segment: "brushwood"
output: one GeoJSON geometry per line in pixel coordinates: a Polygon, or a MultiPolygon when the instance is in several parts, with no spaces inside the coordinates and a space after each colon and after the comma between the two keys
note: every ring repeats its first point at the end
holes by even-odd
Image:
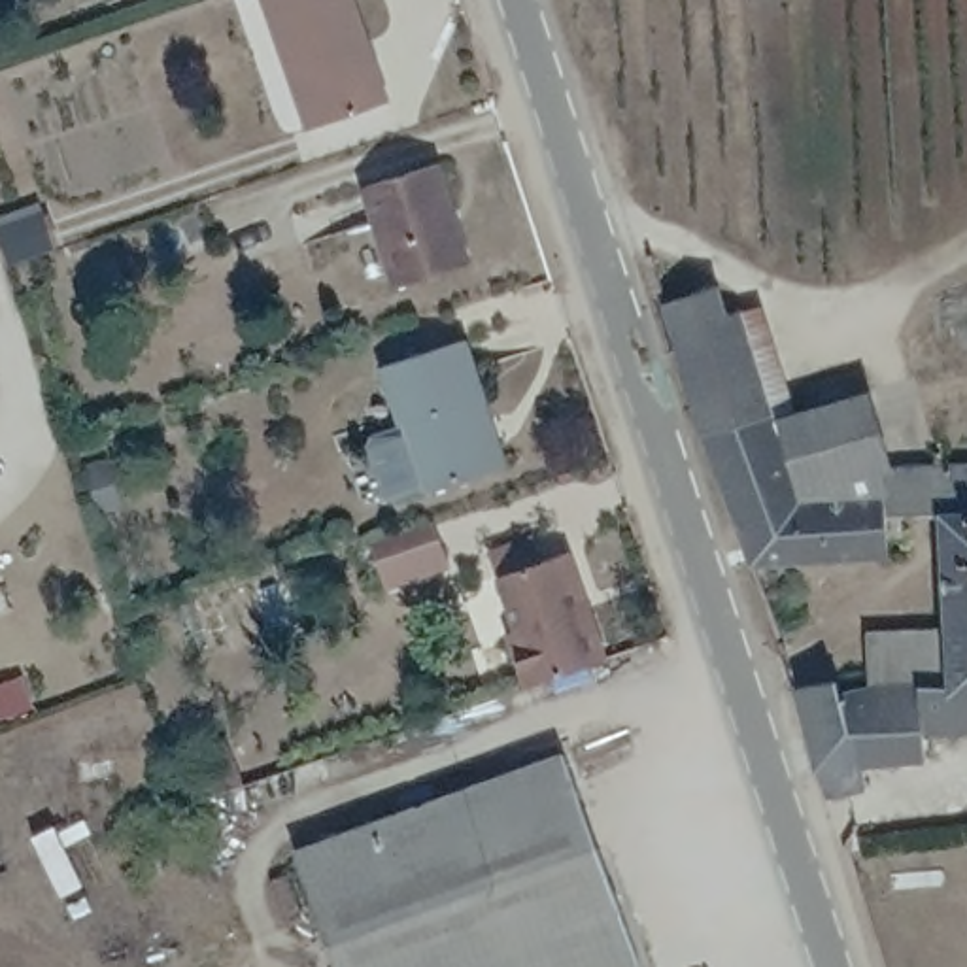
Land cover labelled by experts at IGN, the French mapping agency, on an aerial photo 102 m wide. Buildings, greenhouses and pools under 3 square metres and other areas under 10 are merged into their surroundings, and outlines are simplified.
{"type": "Polygon", "coordinates": [[[174,0],[125,0],[117,11],[60,30],[53,38],[57,49],[106,34],[113,26],[151,19],[166,11],[174,0]]]}
{"type": "Polygon", "coordinates": [[[446,695],[453,695],[465,706],[514,691],[517,672],[506,665],[476,672],[446,676],[446,695]]]}
{"type": "Polygon", "coordinates": [[[427,506],[438,521],[506,506],[521,495],[544,491],[563,480],[544,465],[495,487],[476,487],[457,499],[427,506]]]}
{"type": "Polygon", "coordinates": [[[582,393],[574,351],[567,348],[555,351],[548,389],[582,393]]]}
{"type": "Polygon", "coordinates": [[[461,344],[472,351],[484,397],[495,400],[495,351],[484,348],[484,340],[506,329],[502,314],[476,325],[461,325],[461,344]]]}
{"type": "Polygon", "coordinates": [[[627,506],[604,510],[597,525],[604,533],[619,533],[623,559],[616,567],[616,585],[612,601],[623,608],[635,650],[661,642],[669,635],[669,623],[657,604],[642,540],[635,533],[627,506]]]}
{"type": "Polygon", "coordinates": [[[204,227],[215,223],[215,200],[295,174],[325,170],[332,162],[351,162],[359,170],[374,140],[298,159],[242,174],[234,181],[212,185],[204,193],[170,200],[140,215],[125,215],[83,234],[91,249],[125,242],[128,230],[170,230],[174,219],[189,227],[189,234],[204,238],[204,227]]]}
{"type": "Polygon", "coordinates": [[[49,212],[53,204],[76,208],[94,204],[102,196],[98,189],[64,193],[57,178],[45,178],[45,162],[30,162],[30,196],[38,196],[49,212]]]}
{"type": "Polygon", "coordinates": [[[918,854],[952,850],[967,842],[967,827],[907,831],[888,839],[869,839],[861,831],[861,854],[918,854]]]}
{"type": "Polygon", "coordinates": [[[19,680],[26,680],[34,706],[26,714],[0,718],[0,733],[34,725],[45,714],[125,687],[113,672],[68,687],[60,695],[45,691],[45,676],[34,665],[19,665],[19,680]]]}
{"type": "Polygon", "coordinates": [[[400,718],[389,718],[374,718],[359,729],[310,740],[295,752],[276,752],[272,763],[283,763],[291,771],[321,759],[359,759],[374,744],[393,748],[393,740],[408,729],[400,718]]]}
{"type": "Polygon", "coordinates": [[[355,178],[317,196],[295,200],[295,215],[306,215],[314,208],[340,204],[363,193],[363,185],[355,178]]]}
{"type": "Polygon", "coordinates": [[[64,370],[68,340],[57,321],[49,253],[30,257],[23,264],[4,261],[4,276],[23,317],[42,389],[49,382],[60,382],[64,370]]]}

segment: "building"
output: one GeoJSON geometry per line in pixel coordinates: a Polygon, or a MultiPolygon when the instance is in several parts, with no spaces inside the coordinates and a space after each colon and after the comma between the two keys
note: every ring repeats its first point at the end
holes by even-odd
{"type": "Polygon", "coordinates": [[[442,540],[438,525],[404,525],[400,533],[389,533],[382,544],[370,548],[366,563],[378,570],[382,585],[397,582],[404,589],[412,582],[438,578],[446,570],[450,544],[442,540]]]}
{"type": "Polygon", "coordinates": [[[676,302],[657,298],[657,325],[672,355],[672,374],[680,382],[691,431],[706,453],[710,476],[737,525],[740,551],[755,567],[767,567],[771,578],[782,570],[801,570],[827,563],[891,563],[888,548],[880,544],[884,517],[929,517],[929,570],[933,593],[941,597],[941,627],[861,631],[857,665],[865,665],[865,687],[793,687],[797,721],[820,786],[827,801],[857,797],[869,786],[869,771],[925,763],[941,737],[967,737],[967,465],[933,465],[891,468],[888,457],[895,450],[888,446],[869,389],[850,400],[835,400],[778,419],[778,404],[789,397],[793,378],[782,366],[759,295],[729,291],[718,280],[706,291],[676,302]]]}
{"type": "Polygon", "coordinates": [[[616,869],[597,839],[578,782],[559,755],[302,846],[295,869],[306,884],[306,895],[321,910],[325,937],[332,948],[336,967],[653,967],[650,937],[631,918],[631,903],[619,891],[616,869]]]}
{"type": "Polygon", "coordinates": [[[604,669],[612,653],[635,650],[623,608],[612,601],[585,601],[563,533],[536,533],[533,525],[514,525],[506,533],[487,536],[502,601],[499,646],[506,650],[506,665],[517,672],[514,691],[551,684],[555,676],[578,669],[604,669]]]}
{"type": "Polygon", "coordinates": [[[234,789],[242,786],[242,767],[234,759],[227,767],[227,786],[234,789]]]}
{"type": "Polygon", "coordinates": [[[393,0],[257,0],[264,8],[291,98],[306,128],[321,128],[344,121],[348,113],[363,113],[385,102],[385,79],[378,68],[374,38],[385,34],[393,0]]]}
{"type": "Polygon", "coordinates": [[[0,718],[26,714],[34,706],[26,680],[19,680],[0,684],[0,718]]]}
{"type": "Polygon", "coordinates": [[[378,457],[374,480],[382,484],[382,495],[404,487],[434,491],[453,480],[484,476],[506,465],[506,442],[495,431],[495,416],[495,400],[484,397],[472,351],[461,344],[382,366],[374,393],[385,397],[385,419],[397,423],[393,434],[378,434],[366,442],[366,450],[378,457]]]}
{"type": "Polygon", "coordinates": [[[49,212],[38,196],[30,196],[8,204],[0,200],[0,257],[4,261],[23,264],[30,257],[49,253],[53,238],[49,212]]]}
{"type": "Polygon", "coordinates": [[[397,287],[419,283],[434,272],[465,268],[468,253],[457,219],[461,170],[453,159],[438,155],[438,162],[427,170],[363,185],[363,193],[363,227],[374,227],[374,264],[382,264],[382,276],[397,287]]]}

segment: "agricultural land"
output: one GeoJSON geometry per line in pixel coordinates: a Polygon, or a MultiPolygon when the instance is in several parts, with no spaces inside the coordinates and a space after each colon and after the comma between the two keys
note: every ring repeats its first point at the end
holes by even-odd
{"type": "Polygon", "coordinates": [[[604,117],[623,140],[627,193],[650,215],[729,249],[733,257],[767,276],[805,287],[873,283],[903,261],[933,246],[944,246],[948,238],[967,230],[967,0],[544,0],[544,4],[559,19],[567,57],[578,64],[585,94],[604,102],[604,117]]]}

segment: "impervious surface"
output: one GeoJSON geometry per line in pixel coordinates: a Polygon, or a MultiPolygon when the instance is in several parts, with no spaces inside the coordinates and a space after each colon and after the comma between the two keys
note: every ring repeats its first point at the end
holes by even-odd
{"type": "Polygon", "coordinates": [[[578,147],[578,128],[567,113],[563,83],[551,68],[551,53],[540,30],[544,4],[544,0],[499,0],[506,8],[506,30],[517,45],[517,68],[529,79],[529,106],[540,117],[544,151],[555,166],[555,189],[567,204],[567,223],[578,242],[589,302],[604,321],[604,348],[616,374],[616,389],[631,400],[631,431],[642,438],[642,465],[653,476],[657,510],[669,517],[672,551],[684,563],[684,585],[691,589],[699,612],[695,627],[710,646],[710,669],[718,672],[725,706],[737,721],[737,744],[748,759],[748,782],[759,793],[763,823],[774,839],[774,861],[786,873],[789,903],[797,907],[801,941],[812,952],[812,967],[884,967],[865,922],[854,865],[839,850],[839,835],[816,839],[797,812],[797,801],[820,786],[797,721],[793,687],[789,669],[755,631],[755,616],[740,593],[740,570],[714,563],[714,548],[699,521],[699,502],[687,487],[687,472],[676,450],[676,431],[691,431],[680,382],[672,374],[672,355],[657,325],[646,329],[646,321],[631,310],[631,287],[616,261],[616,238],[608,234],[604,208],[593,193],[589,162],[578,147]]]}
{"type": "Polygon", "coordinates": [[[283,132],[291,136],[298,159],[374,140],[404,132],[419,121],[423,98],[453,42],[453,23],[446,0],[393,0],[385,34],[374,38],[378,68],[385,79],[385,102],[363,113],[348,113],[344,121],[321,128],[306,128],[291,98],[264,8],[257,0],[242,0],[238,23],[253,49],[268,110],[283,132]]]}
{"type": "Polygon", "coordinates": [[[382,484],[374,480],[378,457],[366,450],[366,442],[378,434],[393,434],[397,423],[385,419],[385,397],[374,393],[363,412],[366,419],[348,423],[344,450],[359,465],[348,468],[344,491],[359,487],[359,495],[382,495],[382,484]]]}
{"type": "Polygon", "coordinates": [[[869,389],[888,446],[895,450],[888,457],[891,468],[933,465],[933,453],[922,450],[929,442],[929,408],[918,400],[918,382],[907,374],[899,382],[873,382],[869,389]]]}

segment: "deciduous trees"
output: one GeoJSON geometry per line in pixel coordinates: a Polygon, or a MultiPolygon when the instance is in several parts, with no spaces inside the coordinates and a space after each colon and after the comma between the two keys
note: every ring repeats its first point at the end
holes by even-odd
{"type": "Polygon", "coordinates": [[[397,661],[397,695],[385,699],[389,718],[400,718],[408,729],[434,729],[446,714],[457,714],[465,706],[453,695],[446,695],[446,676],[476,672],[472,623],[461,612],[461,601],[404,604],[408,642],[400,646],[397,661]]]}
{"type": "Polygon", "coordinates": [[[45,34],[45,23],[34,15],[38,0],[0,0],[0,68],[57,49],[53,38],[45,34]]]}
{"type": "Polygon", "coordinates": [[[234,321],[242,348],[227,370],[212,370],[200,378],[200,385],[170,393],[166,404],[136,404],[102,416],[83,416],[87,393],[64,370],[60,382],[49,382],[42,389],[49,431],[60,453],[113,604],[113,631],[102,638],[113,650],[113,672],[125,687],[136,687],[144,695],[144,687],[151,687],[147,669],[162,657],[159,619],[170,604],[181,608],[189,601],[189,589],[178,585],[155,597],[132,593],[132,559],[128,551],[121,551],[121,533],[102,521],[94,487],[117,487],[125,502],[140,491],[166,495],[166,487],[174,487],[174,446],[166,442],[166,431],[181,427],[189,412],[200,412],[204,397],[234,389],[253,389],[268,400],[268,446],[280,457],[291,457],[306,442],[306,427],[291,416],[287,404],[310,389],[314,374],[325,370],[325,359],[378,355],[385,340],[416,332],[423,317],[416,306],[408,306],[400,317],[336,306],[325,310],[310,332],[302,332],[287,302],[280,302],[276,310],[264,310],[264,317],[234,321]]]}
{"type": "Polygon", "coordinates": [[[801,570],[782,570],[771,578],[767,601],[782,627],[797,631],[808,619],[808,582],[801,570]]]}
{"type": "Polygon", "coordinates": [[[49,612],[49,631],[60,638],[76,638],[83,631],[87,612],[94,608],[94,585],[83,574],[45,570],[42,601],[49,612]]]}
{"type": "Polygon", "coordinates": [[[536,438],[544,465],[563,480],[597,480],[608,465],[608,450],[589,412],[559,416],[548,423],[548,431],[536,438]]]}
{"type": "Polygon", "coordinates": [[[136,295],[106,298],[106,314],[79,325],[83,359],[91,374],[128,378],[159,317],[170,317],[181,302],[181,272],[159,283],[144,283],[136,295]]]}
{"type": "Polygon", "coordinates": [[[348,514],[348,521],[332,521],[321,533],[306,533],[268,551],[268,536],[253,525],[257,510],[246,480],[242,423],[215,427],[215,438],[200,457],[196,480],[189,484],[189,514],[166,517],[174,567],[189,570],[196,585],[212,585],[219,578],[246,578],[264,563],[291,570],[295,559],[336,555],[348,578],[344,585],[329,578],[298,578],[295,597],[287,604],[283,597],[249,604],[249,616],[257,623],[249,638],[257,653],[257,672],[264,676],[264,684],[283,687],[283,710],[298,710],[314,695],[314,669],[306,661],[310,635],[325,635],[325,642],[340,642],[340,635],[359,638],[363,612],[351,601],[351,593],[366,589],[382,597],[382,585],[378,570],[366,563],[370,548],[382,544],[389,533],[400,533],[404,525],[438,525],[438,521],[427,506],[382,506],[366,521],[348,514]]]}
{"type": "Polygon", "coordinates": [[[121,854],[125,880],[151,880],[155,865],[170,865],[178,873],[204,880],[208,873],[215,873],[215,861],[223,831],[212,797],[234,789],[227,786],[227,767],[234,759],[212,703],[181,699],[147,733],[140,786],[151,789],[151,801],[125,812],[110,831],[106,846],[121,854]]]}
{"type": "Polygon", "coordinates": [[[170,64],[166,83],[174,102],[189,110],[200,136],[219,136],[223,94],[208,76],[204,57],[170,64]]]}

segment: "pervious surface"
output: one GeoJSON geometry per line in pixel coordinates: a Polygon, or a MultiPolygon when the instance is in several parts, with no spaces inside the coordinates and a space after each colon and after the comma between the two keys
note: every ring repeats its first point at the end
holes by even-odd
{"type": "Polygon", "coordinates": [[[676,302],[706,291],[718,280],[729,291],[759,295],[782,366],[793,378],[789,397],[778,404],[778,419],[835,400],[850,400],[869,389],[873,382],[899,382],[907,374],[899,329],[914,298],[925,291],[941,291],[948,276],[967,268],[967,230],[948,238],[944,246],[933,246],[903,261],[873,283],[805,287],[767,276],[733,257],[729,249],[650,215],[627,193],[623,140],[604,117],[604,102],[585,94],[578,64],[567,57],[559,19],[544,4],[540,30],[551,53],[551,68],[563,83],[567,113],[578,128],[578,147],[589,162],[593,193],[604,208],[608,234],[616,238],[616,261],[631,287],[631,310],[646,321],[646,329],[657,325],[657,298],[676,302]]]}
{"type": "Polygon", "coordinates": [[[60,453],[49,431],[42,389],[23,317],[4,276],[4,261],[0,257],[0,521],[30,495],[38,476],[60,453]]]}
{"type": "Polygon", "coordinates": [[[261,147],[234,151],[204,166],[185,166],[178,174],[162,174],[102,196],[94,204],[76,208],[53,204],[49,212],[53,238],[83,234],[125,215],[140,215],[170,200],[204,193],[212,185],[234,181],[242,174],[298,159],[291,136],[283,132],[261,147]]]}
{"type": "Polygon", "coordinates": [[[907,831],[967,827],[967,737],[941,737],[925,763],[869,771],[869,786],[857,797],[827,801],[820,786],[797,801],[797,812],[816,839],[839,835],[839,850],[854,865],[854,857],[861,854],[861,831],[869,839],[888,839],[907,831]]]}
{"type": "Polygon", "coordinates": [[[491,276],[495,298],[465,302],[453,325],[423,317],[416,332],[385,340],[378,355],[382,366],[461,344],[461,325],[476,325],[502,314],[506,329],[484,340],[484,348],[495,351],[540,351],[540,366],[517,397],[517,404],[495,416],[495,431],[506,442],[533,423],[536,400],[548,389],[555,351],[567,348],[574,351],[582,393],[589,400],[589,412],[608,450],[608,465],[597,480],[563,480],[544,491],[521,495],[506,506],[438,521],[438,525],[442,540],[450,544],[446,570],[438,578],[457,574],[457,555],[472,555],[480,570],[480,589],[461,601],[461,612],[472,623],[476,672],[506,665],[506,650],[499,646],[502,601],[487,536],[506,533],[514,525],[533,525],[536,533],[563,533],[585,601],[612,601],[616,585],[597,582],[593,563],[585,555],[585,536],[597,525],[604,510],[627,506],[635,533],[642,540],[657,604],[669,623],[669,635],[661,642],[635,650],[612,653],[604,669],[578,669],[555,676],[551,684],[514,691],[465,706],[457,714],[446,714],[434,729],[408,729],[393,740],[393,748],[374,744],[359,759],[321,759],[291,771],[242,786],[234,789],[212,797],[223,831],[215,861],[234,873],[238,907],[253,933],[253,944],[242,944],[230,967],[336,967],[332,948],[321,944],[306,918],[283,929],[272,918],[264,895],[264,876],[280,846],[291,839],[295,846],[302,846],[559,755],[563,737],[574,740],[582,729],[608,721],[638,725],[638,737],[627,748],[623,763],[612,763],[608,771],[585,774],[578,782],[597,839],[616,869],[619,891],[631,903],[631,918],[650,937],[653,967],[812,967],[812,952],[801,941],[797,907],[789,903],[786,873],[774,861],[774,839],[763,823],[759,793],[748,782],[748,759],[737,744],[737,721],[725,706],[718,672],[710,669],[710,646],[695,627],[699,612],[691,589],[684,585],[684,563],[672,551],[669,517],[657,510],[653,476],[642,465],[642,438],[631,431],[631,400],[616,389],[616,374],[604,348],[604,321],[589,302],[578,242],[567,223],[567,204],[555,189],[555,166],[544,151],[540,117],[529,106],[529,79],[517,68],[517,45],[506,30],[506,8],[499,0],[446,0],[453,23],[468,19],[472,53],[480,53],[499,72],[499,98],[476,106],[465,121],[434,128],[427,140],[412,140],[404,132],[374,140],[359,170],[351,162],[332,162],[325,170],[295,174],[215,200],[215,223],[204,227],[204,238],[189,234],[189,227],[174,219],[170,230],[128,230],[125,242],[91,249],[76,264],[72,280],[72,314],[79,325],[106,314],[106,298],[136,295],[144,283],[159,283],[181,272],[204,249],[234,249],[238,261],[257,261],[264,268],[280,249],[291,249],[306,238],[310,253],[317,253],[329,249],[332,234],[363,227],[363,193],[340,204],[314,208],[306,215],[295,215],[295,200],[317,196],[355,178],[363,185],[427,170],[438,162],[438,155],[453,159],[465,147],[480,144],[502,151],[540,272],[491,276]]]}
{"type": "Polygon", "coordinates": [[[740,551],[737,525],[710,476],[706,453],[691,431],[676,431],[676,450],[687,472],[687,487],[699,502],[699,521],[714,548],[714,563],[740,570],[740,593],[755,616],[755,631],[789,669],[793,653],[786,650],[782,627],[767,601],[771,578],[767,567],[755,567],[740,551]]]}

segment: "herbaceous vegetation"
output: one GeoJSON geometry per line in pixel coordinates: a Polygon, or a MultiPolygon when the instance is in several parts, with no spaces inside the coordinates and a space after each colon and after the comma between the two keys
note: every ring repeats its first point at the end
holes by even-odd
{"type": "Polygon", "coordinates": [[[412,140],[427,140],[434,128],[465,121],[476,106],[499,98],[499,72],[480,53],[472,53],[468,19],[453,23],[453,42],[423,98],[419,121],[404,132],[412,140]]]}
{"type": "Polygon", "coordinates": [[[865,922],[884,967],[967,967],[967,842],[952,850],[918,854],[861,854],[854,857],[854,865],[865,922]]]}
{"type": "Polygon", "coordinates": [[[38,0],[34,15],[45,23],[45,34],[53,38],[60,30],[117,11],[125,0],[38,0]]]}
{"type": "Polygon", "coordinates": [[[34,665],[45,676],[45,691],[60,695],[68,687],[113,672],[113,650],[102,638],[113,631],[113,604],[60,453],[38,476],[30,495],[0,521],[0,684],[19,680],[19,665],[34,665]],[[60,638],[49,631],[49,612],[42,601],[45,570],[83,574],[94,585],[94,608],[87,612],[83,631],[76,638],[60,638]]]}
{"type": "Polygon", "coordinates": [[[616,585],[616,567],[623,559],[619,533],[604,533],[597,525],[585,536],[585,555],[593,563],[597,582],[616,585]]]}
{"type": "Polygon", "coordinates": [[[280,846],[264,876],[264,895],[272,918],[283,929],[306,918],[321,944],[332,948],[325,937],[321,910],[306,895],[306,884],[295,869],[302,846],[295,846],[291,839],[280,846]]]}
{"type": "Polygon", "coordinates": [[[540,351],[495,351],[495,400],[495,416],[517,404],[517,397],[540,366],[540,351]]]}
{"type": "Polygon", "coordinates": [[[941,291],[925,291],[914,298],[899,329],[907,374],[918,382],[918,400],[929,408],[929,442],[922,450],[933,453],[933,465],[967,465],[967,268],[948,276],[941,291]]]}
{"type": "Polygon", "coordinates": [[[351,601],[363,612],[359,638],[340,635],[340,642],[325,642],[325,635],[310,635],[306,661],[314,669],[314,695],[298,710],[283,710],[283,687],[264,684],[264,676],[257,672],[257,653],[249,638],[257,623],[249,616],[249,604],[283,597],[287,604],[295,597],[298,578],[329,578],[344,585],[348,578],[336,555],[295,559],[291,570],[264,563],[246,578],[219,578],[212,585],[196,585],[189,570],[174,567],[166,517],[189,514],[189,484],[196,480],[200,457],[215,438],[215,427],[242,423],[246,480],[257,510],[253,525],[268,536],[268,551],[306,533],[321,533],[332,521],[348,521],[348,514],[366,521],[382,506],[427,506],[457,499],[476,487],[495,487],[544,465],[536,438],[548,431],[548,423],[559,416],[589,412],[589,400],[582,393],[548,389],[536,400],[533,423],[506,442],[506,465],[484,476],[453,480],[434,491],[404,487],[382,495],[359,495],[359,487],[344,491],[348,468],[359,465],[344,450],[348,423],[366,419],[363,412],[374,393],[382,366],[378,355],[325,359],[325,370],[314,374],[310,389],[287,404],[291,416],[306,427],[306,442],[291,457],[280,457],[268,446],[268,400],[253,389],[234,389],[204,397],[200,412],[189,412],[181,427],[166,431],[166,442],[174,446],[174,487],[166,487],[166,495],[140,491],[125,502],[117,487],[94,487],[102,521],[121,533],[121,551],[128,551],[132,559],[132,593],[155,597],[178,585],[189,589],[189,601],[181,608],[170,604],[159,619],[162,657],[147,669],[151,687],[144,687],[144,695],[136,687],[125,687],[45,714],[34,725],[0,733],[0,967],[230,967],[242,944],[253,944],[253,933],[238,907],[234,873],[215,861],[215,873],[208,873],[204,880],[178,873],[170,865],[155,865],[151,880],[125,880],[121,854],[106,846],[110,831],[125,812],[151,801],[151,789],[140,786],[147,733],[181,699],[212,703],[234,759],[242,767],[242,786],[291,771],[283,763],[272,763],[276,752],[295,752],[310,740],[359,729],[374,718],[389,718],[385,699],[397,695],[397,661],[400,646],[408,642],[404,604],[461,601],[480,589],[480,570],[472,555],[457,555],[457,574],[438,578],[412,582],[404,589],[397,582],[382,585],[382,597],[366,589],[351,593],[351,601]]]}
{"type": "Polygon", "coordinates": [[[563,737],[559,755],[578,782],[585,774],[608,771],[612,763],[623,763],[627,748],[638,737],[638,725],[608,721],[582,729],[574,740],[563,737]]]}
{"type": "Polygon", "coordinates": [[[30,196],[30,162],[45,162],[45,178],[57,178],[64,193],[98,189],[102,196],[162,174],[178,174],[185,166],[204,166],[234,151],[261,147],[283,132],[268,110],[253,49],[238,23],[242,0],[174,0],[166,11],[151,19],[113,26],[106,34],[57,49],[0,68],[0,200],[8,204],[30,196]],[[223,94],[219,136],[200,136],[189,110],[174,102],[166,83],[170,64],[204,57],[208,76],[223,94]]]}
{"type": "Polygon", "coordinates": [[[891,563],[827,563],[801,570],[808,582],[808,619],[797,631],[782,627],[786,650],[793,653],[789,669],[793,687],[865,687],[865,665],[857,665],[861,631],[941,627],[941,597],[933,593],[929,570],[929,517],[884,517],[880,544],[888,548],[891,563]]]}
{"type": "Polygon", "coordinates": [[[416,306],[423,317],[453,325],[465,302],[495,298],[491,276],[540,272],[502,151],[480,144],[465,147],[453,159],[461,170],[457,219],[468,253],[465,268],[434,272],[419,283],[397,287],[382,276],[382,264],[374,264],[374,227],[363,227],[332,234],[329,249],[317,253],[310,253],[306,238],[291,249],[280,249],[264,268],[257,261],[238,261],[234,249],[204,249],[181,272],[181,302],[170,317],[159,317],[128,378],[91,374],[83,359],[79,325],[72,314],[72,280],[76,264],[91,249],[83,234],[53,238],[49,253],[57,321],[68,340],[64,370],[87,393],[83,416],[102,416],[136,404],[166,404],[170,393],[200,385],[200,378],[212,370],[227,370],[242,348],[234,321],[264,317],[264,310],[276,310],[280,302],[287,302],[302,332],[310,332],[325,310],[336,306],[400,317],[408,306],[416,306]]]}

